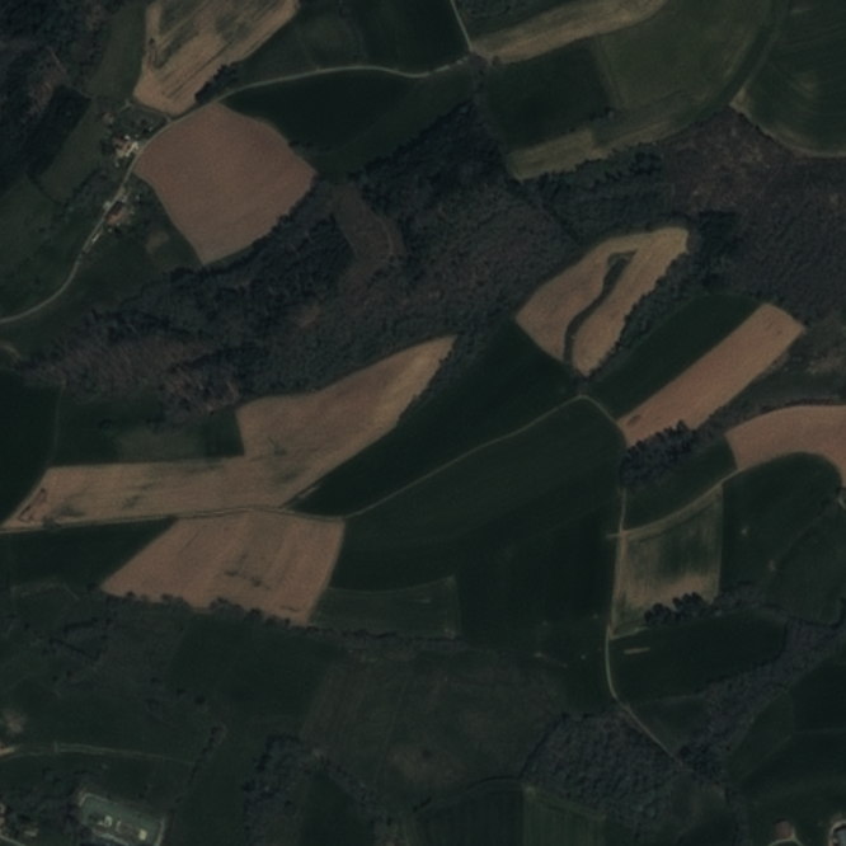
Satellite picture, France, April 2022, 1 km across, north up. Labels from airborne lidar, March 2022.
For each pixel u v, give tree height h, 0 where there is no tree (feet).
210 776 0
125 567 0
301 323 93
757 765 0
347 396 0
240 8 0
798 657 59
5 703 0
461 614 0
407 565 0
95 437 0
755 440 0
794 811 0
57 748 0
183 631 27
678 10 0
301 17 0
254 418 0
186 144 0
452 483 0
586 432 0
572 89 0
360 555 0
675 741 0
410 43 0
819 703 0
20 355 0
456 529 0
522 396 0
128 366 93
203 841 0
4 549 0
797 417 0
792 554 0
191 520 0
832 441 0
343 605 0
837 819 0
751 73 0
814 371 0
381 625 0
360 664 0
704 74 0
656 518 0
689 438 94
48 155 25
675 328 0
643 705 0
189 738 0
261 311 69
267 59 0
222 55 0
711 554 0
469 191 43
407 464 0
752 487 0
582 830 0
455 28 0
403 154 28
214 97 37
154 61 0
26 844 0
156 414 0
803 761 0
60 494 0
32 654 0
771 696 67
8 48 91
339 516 0
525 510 0
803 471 0
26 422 0
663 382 0
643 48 0
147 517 0
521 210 40
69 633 40
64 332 0
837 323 0
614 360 58
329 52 0
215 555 0
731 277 25
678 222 61
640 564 0
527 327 0
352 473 0
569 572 0
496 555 0
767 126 0
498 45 0
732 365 0
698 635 0
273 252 81
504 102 0
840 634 49
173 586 0
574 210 34
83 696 0
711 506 0
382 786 0
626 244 0
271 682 0
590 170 57
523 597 0
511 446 0
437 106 0
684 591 0
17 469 0
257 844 31
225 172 0
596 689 0
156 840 0
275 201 0
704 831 0
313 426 0
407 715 0
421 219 88
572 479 0
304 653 0
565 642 0
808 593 0
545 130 0
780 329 0
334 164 0
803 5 0
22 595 0
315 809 0
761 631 0
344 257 83
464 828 0
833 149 0
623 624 0
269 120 0
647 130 0
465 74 0
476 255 37
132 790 0
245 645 0
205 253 0
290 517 0
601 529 0
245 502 0
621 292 0
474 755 0
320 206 87
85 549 0
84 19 93
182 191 0
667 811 22
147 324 80
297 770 54
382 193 59
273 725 0
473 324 49
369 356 34
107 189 33
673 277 46
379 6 0
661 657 0
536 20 0
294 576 0
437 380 25
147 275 0
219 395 87
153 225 61
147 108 0
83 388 80
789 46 0
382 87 0
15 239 0
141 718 0
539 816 0
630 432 0
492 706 0
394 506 0
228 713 0
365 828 0
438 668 0
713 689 42
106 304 0
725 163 0
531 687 0
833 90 0
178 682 0
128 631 0
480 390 0
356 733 0
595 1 0
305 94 0
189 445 0
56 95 25
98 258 0
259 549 0
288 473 0
